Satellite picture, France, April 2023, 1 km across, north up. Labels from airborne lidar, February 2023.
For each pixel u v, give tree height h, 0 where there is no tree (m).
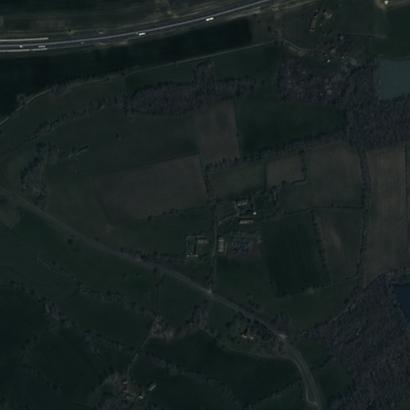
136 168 0
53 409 0
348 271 0
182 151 0
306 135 0
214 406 0
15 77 0
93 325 0
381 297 25
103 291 0
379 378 28
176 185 0
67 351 0
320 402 0
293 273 0
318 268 0
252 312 10
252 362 0
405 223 0
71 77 0
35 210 0
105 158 0
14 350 0
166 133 0
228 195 0
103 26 0
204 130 0
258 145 0
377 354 23
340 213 0
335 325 17
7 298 0
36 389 0
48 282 0
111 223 0
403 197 0
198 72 12
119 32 0
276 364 0
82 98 0
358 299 15
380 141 21
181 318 0
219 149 0
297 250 0
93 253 0
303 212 7
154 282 0
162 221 0
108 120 0
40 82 0
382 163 0
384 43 0
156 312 0
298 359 0
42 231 0
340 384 0
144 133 0
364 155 16
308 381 0
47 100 0
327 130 0
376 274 0
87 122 0
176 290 0
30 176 20
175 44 0
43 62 0
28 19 0
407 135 22
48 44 0
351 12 0
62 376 0
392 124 22
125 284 0
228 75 0
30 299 0
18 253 0
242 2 0
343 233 0
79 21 0
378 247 0
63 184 0
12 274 0
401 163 0
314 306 0
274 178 0
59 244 0
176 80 0
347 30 0
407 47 0
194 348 0
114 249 0
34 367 0
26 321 0
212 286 14
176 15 0
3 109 0
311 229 0
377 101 16
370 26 0
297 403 0
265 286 0
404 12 0
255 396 0
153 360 18
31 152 0
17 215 0
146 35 0
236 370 0
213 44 0
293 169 0
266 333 18
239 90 17
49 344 0
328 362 12
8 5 0
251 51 0
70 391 0
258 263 0
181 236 0
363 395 22
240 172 0
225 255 0
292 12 0
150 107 16
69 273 10
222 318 0
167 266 15
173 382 0
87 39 0
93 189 0
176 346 0
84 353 0
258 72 0
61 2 0
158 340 0
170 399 0
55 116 0
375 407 21
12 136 0
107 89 0
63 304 0
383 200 0
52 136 0
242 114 0
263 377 0
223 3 0
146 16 0
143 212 0
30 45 0
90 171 0
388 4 0
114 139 0
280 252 0
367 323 15
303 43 0
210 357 0
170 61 0
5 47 0
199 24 0
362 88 23
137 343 0
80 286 15
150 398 0
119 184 0
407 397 21
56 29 0
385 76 0
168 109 15
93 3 0
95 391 10
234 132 0
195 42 0
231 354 0
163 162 0
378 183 0
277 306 0
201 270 0
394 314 22
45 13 0
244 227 0
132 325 0
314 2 0
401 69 0
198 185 0
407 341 30
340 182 0
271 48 0
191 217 0
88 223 0
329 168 0
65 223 0
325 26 0
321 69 0
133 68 0
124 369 0
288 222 0
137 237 0
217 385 17
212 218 0
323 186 0
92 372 0
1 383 0
